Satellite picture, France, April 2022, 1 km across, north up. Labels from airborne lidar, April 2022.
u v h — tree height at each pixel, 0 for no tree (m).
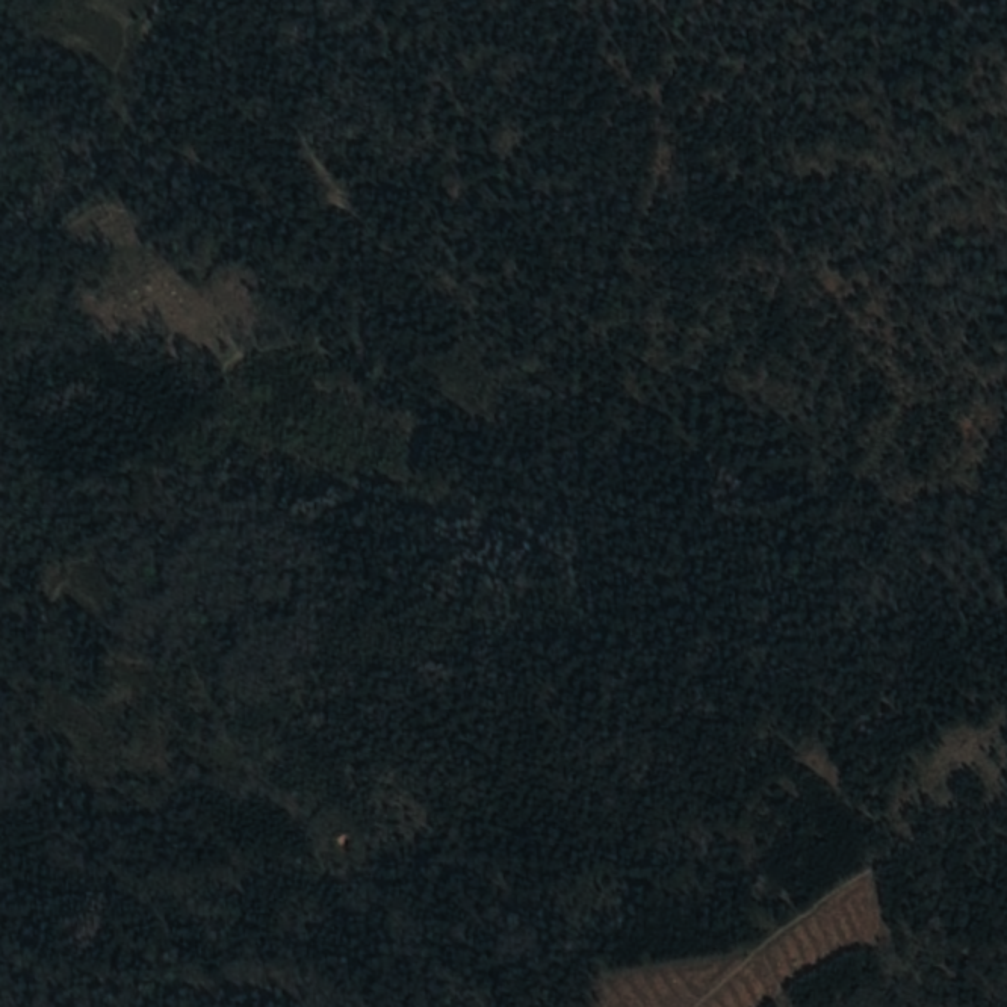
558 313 10
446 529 29
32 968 24
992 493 24
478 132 21
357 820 21
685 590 21
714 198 15
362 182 25
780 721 12
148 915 21
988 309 22
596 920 10
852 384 7
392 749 20
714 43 20
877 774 7
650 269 14
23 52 31
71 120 7
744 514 30
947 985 21
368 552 22
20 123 24
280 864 20
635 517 18
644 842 26
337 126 19
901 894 19
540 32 9
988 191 14
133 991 18
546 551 20
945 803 0
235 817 21
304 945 17
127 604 24
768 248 15
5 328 24
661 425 31
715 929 15
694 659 30
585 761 20
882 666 20
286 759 13
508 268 20
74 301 23
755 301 16
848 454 8
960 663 19
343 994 15
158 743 0
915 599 17
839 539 20
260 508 21
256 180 27
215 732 30
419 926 22
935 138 29
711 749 20
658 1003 0
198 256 26
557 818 23
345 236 21
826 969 20
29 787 36
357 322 23
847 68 28
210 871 22
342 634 19
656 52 17
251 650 33
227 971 22
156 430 18
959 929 24
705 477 30
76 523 27
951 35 29
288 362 7
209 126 12
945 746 26
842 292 6
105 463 20
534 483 22
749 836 6
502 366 8
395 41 7
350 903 25
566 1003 20
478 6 23
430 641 19
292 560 22
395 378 26
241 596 27
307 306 14
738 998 0
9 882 23
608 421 28
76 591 0
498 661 24
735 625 24
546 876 8
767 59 21
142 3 0
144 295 0
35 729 8
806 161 19
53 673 22
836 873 14
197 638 28
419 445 0
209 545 24
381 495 21
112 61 0
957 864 25
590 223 23
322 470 6
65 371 17
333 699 18
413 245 6
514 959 16
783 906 14
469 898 21
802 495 9
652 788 17
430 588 28
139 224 20
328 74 20
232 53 20
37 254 30
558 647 26
